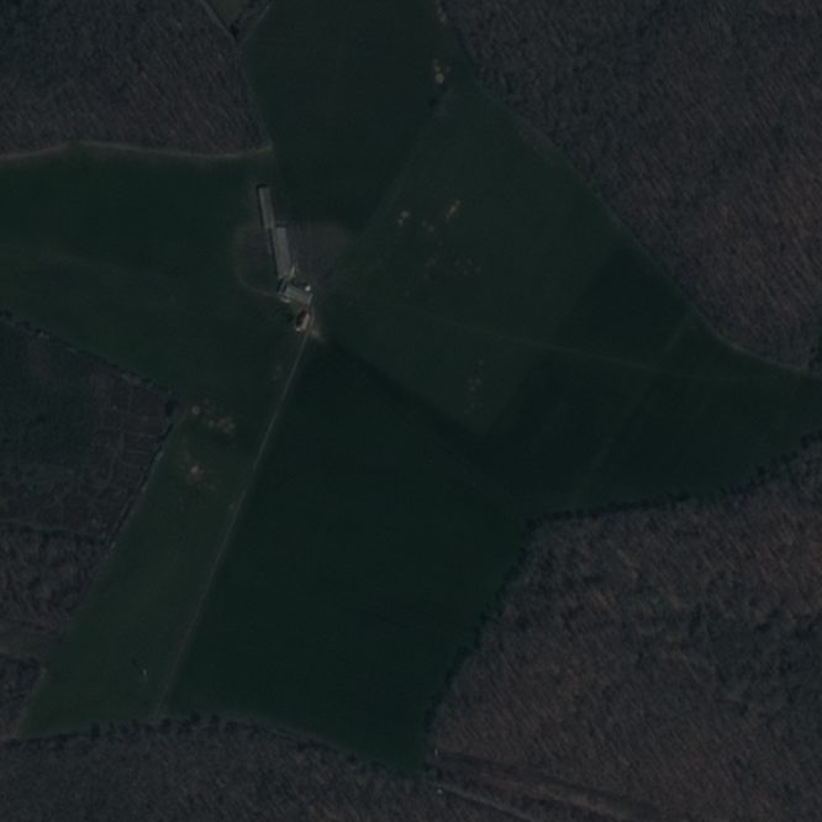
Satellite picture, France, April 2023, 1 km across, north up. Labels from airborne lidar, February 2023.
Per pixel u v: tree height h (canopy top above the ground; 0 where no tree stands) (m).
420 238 0
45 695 0
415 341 0
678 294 0
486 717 24
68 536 7
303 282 0
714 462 0
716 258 28
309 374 0
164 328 0
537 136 0
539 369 0
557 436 0
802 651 26
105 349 0
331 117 0
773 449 0
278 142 0
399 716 0
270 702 0
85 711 0
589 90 22
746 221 26
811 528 21
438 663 0
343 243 0
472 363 0
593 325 0
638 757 21
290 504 0
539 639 24
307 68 0
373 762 0
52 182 0
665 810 16
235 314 0
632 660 25
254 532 0
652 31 24
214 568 0
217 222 0
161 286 0
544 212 0
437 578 0
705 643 22
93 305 0
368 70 0
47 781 19
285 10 0
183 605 0
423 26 0
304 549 0
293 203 0
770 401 0
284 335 0
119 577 0
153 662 0
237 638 0
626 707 21
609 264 0
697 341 0
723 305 23
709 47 29
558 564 24
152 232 0
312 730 0
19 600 16
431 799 23
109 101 23
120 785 23
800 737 24
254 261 0
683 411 0
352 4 0
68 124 23
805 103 29
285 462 0
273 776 25
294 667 0
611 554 26
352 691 0
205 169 0
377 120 0
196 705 0
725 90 27
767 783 23
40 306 0
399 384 0
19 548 16
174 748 14
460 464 0
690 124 27
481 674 23
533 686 23
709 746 26
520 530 0
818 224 27
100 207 0
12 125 23
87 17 21
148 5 14
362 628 0
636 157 28
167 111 24
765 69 25
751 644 18
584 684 24
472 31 20
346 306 0
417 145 0
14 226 0
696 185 27
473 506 0
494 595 0
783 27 18
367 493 0
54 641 0
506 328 0
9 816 18
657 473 0
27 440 9
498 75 21
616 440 0
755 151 26
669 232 26
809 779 16
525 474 0
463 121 0
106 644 0
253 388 0
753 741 26
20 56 19
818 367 12
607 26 28
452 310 0
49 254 0
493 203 0
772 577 23
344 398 0
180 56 25
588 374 0
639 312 0
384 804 22
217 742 22
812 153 29
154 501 0
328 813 26
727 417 0
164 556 0
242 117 26
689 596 26
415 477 0
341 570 0
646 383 0
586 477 0
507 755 20
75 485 0
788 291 29
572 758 23
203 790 20
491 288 0
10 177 0
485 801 19
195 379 0
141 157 0
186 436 0
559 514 0
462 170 0
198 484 0
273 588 0
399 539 0
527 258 0
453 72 0
